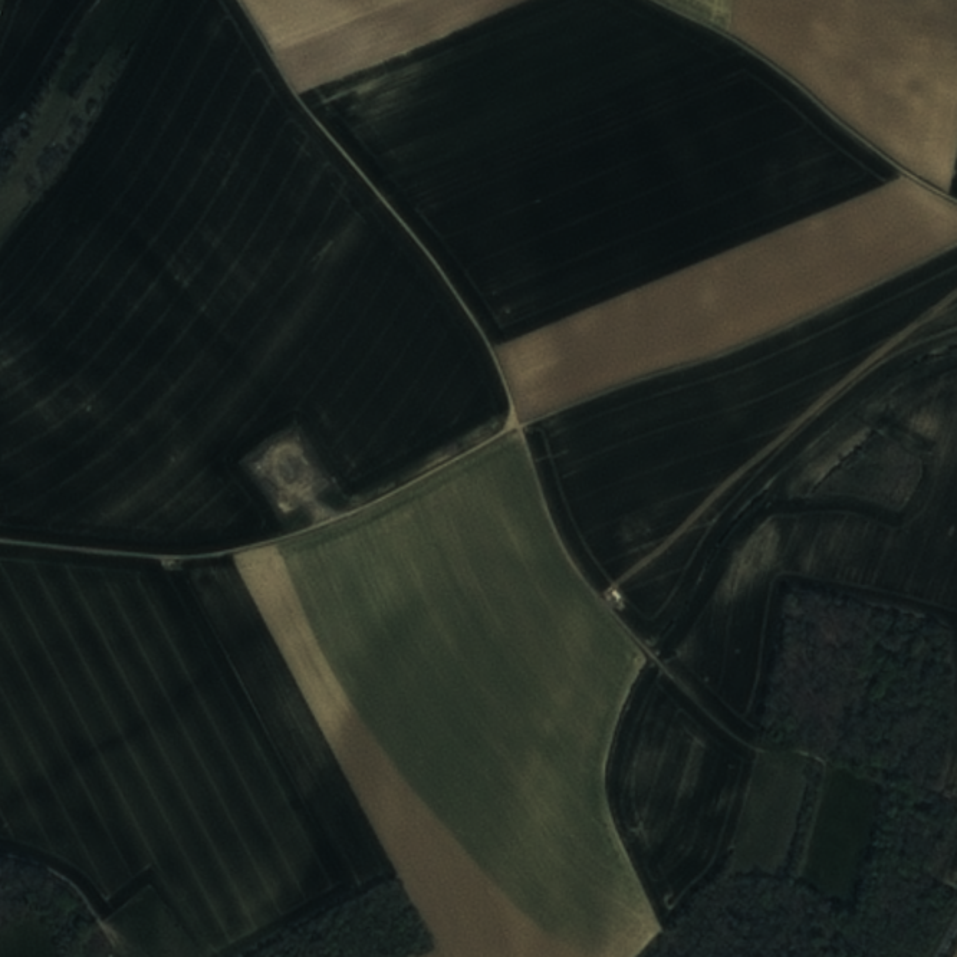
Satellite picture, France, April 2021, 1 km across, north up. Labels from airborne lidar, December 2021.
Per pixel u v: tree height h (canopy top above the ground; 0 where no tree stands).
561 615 0
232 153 0
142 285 0
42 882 20
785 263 0
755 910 15
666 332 0
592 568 0
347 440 0
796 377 0
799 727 18
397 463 0
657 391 0
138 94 0
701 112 0
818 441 0
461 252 0
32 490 0
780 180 0
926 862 21
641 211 0
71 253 0
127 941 0
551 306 0
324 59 0
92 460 0
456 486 0
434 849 0
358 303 0
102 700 0
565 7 0
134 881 0
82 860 0
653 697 0
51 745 0
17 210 0
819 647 21
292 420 0
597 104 0
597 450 0
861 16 0
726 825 0
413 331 0
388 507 0
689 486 0
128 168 0
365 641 0
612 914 0
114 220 0
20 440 0
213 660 0
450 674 0
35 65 0
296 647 0
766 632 0
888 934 24
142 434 0
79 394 0
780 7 0
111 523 0
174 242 0
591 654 0
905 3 0
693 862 0
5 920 19
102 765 0
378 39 0
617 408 0
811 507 0
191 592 0
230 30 0
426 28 0
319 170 0
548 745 0
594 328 0
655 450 0
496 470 0
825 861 0
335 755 0
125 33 0
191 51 0
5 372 0
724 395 0
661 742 0
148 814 0
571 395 0
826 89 0
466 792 0
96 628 0
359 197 0
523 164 0
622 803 0
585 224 0
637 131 0
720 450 0
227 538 0
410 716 0
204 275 0
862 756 19
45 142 0
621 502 0
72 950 18
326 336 0
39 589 0
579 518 0
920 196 0
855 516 0
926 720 21
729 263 0
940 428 0
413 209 0
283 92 0
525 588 0
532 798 0
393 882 13
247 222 0
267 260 0
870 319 0
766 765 0
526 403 0
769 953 18
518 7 0
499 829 0
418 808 0
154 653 0
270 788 0
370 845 0
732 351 0
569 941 0
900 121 0
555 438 0
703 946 19
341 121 0
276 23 0
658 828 0
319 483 0
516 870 0
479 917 0
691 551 0
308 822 0
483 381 0
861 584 0
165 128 0
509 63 0
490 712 0
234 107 0
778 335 0
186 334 0
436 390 0
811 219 0
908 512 0
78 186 0
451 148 0
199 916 0
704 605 0
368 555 0
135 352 0
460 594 0
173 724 0
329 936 17
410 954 17
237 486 0
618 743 0
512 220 0
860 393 0
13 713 0
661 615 0
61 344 0
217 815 0
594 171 0
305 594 0
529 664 0
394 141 0
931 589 0
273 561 0
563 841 0
